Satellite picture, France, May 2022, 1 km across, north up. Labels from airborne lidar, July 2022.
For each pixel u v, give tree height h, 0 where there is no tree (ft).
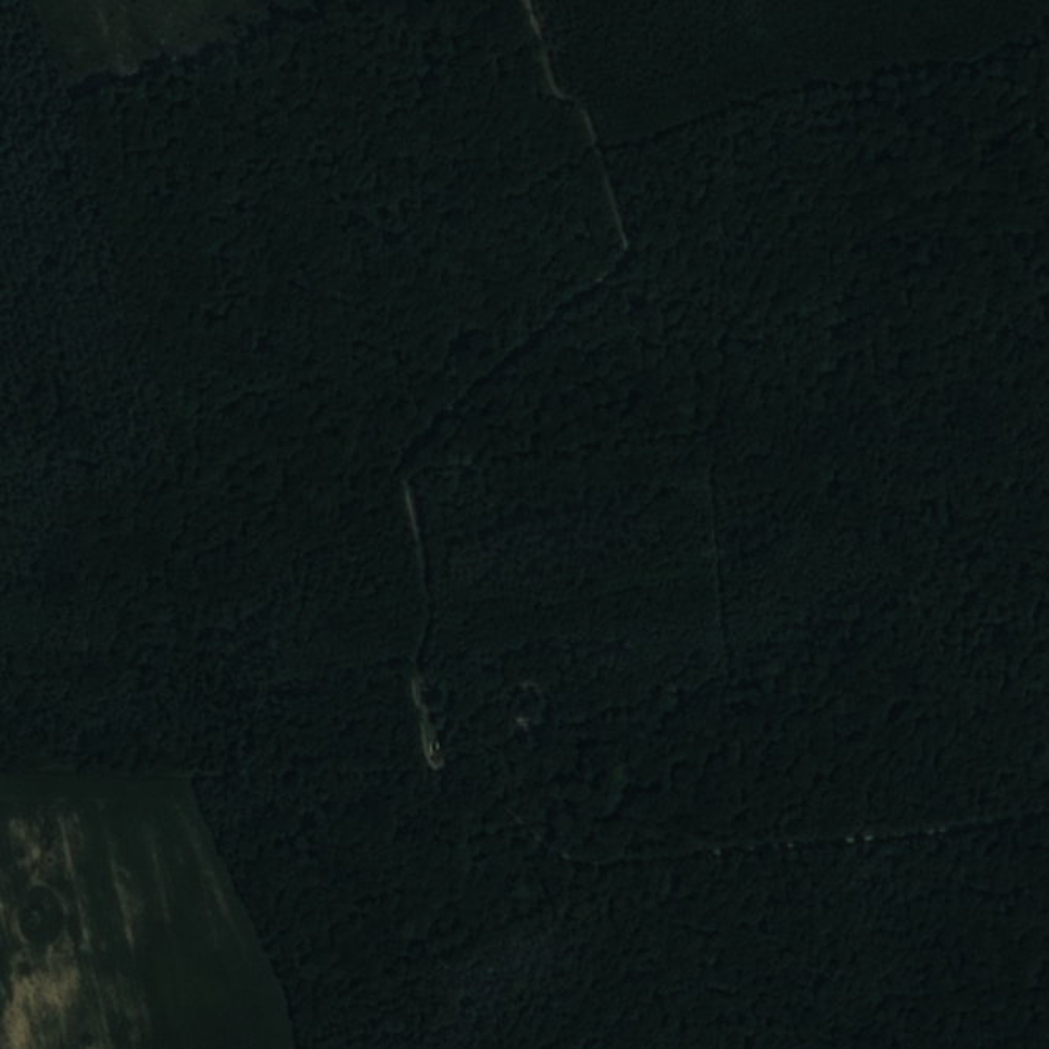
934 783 73
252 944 0
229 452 98
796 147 92
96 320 89
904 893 71
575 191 73
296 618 66
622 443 76
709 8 31
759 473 81
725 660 44
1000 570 85
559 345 80
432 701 80
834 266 81
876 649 86
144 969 0
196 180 76
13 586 71
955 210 81
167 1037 0
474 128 85
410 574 58
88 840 0
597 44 37
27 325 69
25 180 89
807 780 85
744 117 79
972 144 84
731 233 80
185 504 88
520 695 51
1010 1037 78
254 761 81
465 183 87
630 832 87
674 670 77
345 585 54
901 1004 88
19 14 82
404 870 86
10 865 0
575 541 122
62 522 65
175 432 76
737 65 39
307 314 77
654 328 59
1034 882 95
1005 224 74
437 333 81
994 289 66
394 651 61
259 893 69
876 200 94
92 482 87
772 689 65
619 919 70
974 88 94
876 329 108
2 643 66
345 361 85
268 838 86
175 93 83
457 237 99
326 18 81
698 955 72
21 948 0
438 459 97
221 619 82
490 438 96
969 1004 80
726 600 47
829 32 34
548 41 35
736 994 73
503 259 90
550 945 66
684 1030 81
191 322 80
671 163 67
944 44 38
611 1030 74
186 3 0
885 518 88
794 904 77
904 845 54
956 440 81
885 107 103
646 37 39
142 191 75
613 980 62
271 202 92
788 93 48
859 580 79
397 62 77
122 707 84
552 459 78
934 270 81
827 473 84
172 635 77
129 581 78
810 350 77
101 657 77
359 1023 52
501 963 67
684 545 47
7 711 25
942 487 73
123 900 0
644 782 95
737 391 71
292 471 76
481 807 88
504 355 37
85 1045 0
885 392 73
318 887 80
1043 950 99
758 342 75
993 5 36
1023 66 87
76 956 0
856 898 62
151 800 0
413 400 81
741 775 93
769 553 75
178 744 63
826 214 81
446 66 67
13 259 67
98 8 0
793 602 68
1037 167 83
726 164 88
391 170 84
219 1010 0
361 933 81
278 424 99
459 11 97
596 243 72
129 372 57
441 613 51
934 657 77
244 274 89
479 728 82
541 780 93
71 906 0
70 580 97
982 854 75
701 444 80
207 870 0
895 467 73
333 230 78
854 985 65
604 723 83
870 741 83
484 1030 81
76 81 0
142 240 82
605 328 87
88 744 90
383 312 90
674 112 42
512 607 51
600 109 37
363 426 89
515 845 74
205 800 63
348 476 60
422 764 78
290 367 81
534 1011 72
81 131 73
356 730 94
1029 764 82
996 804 71
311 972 85
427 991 76
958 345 84
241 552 72
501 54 73
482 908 81
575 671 74
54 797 0
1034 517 80
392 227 91
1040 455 64
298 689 47
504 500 74
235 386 80
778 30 33
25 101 75
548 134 84
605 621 49
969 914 74
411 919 80
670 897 56
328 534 68
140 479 89
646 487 82
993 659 77
